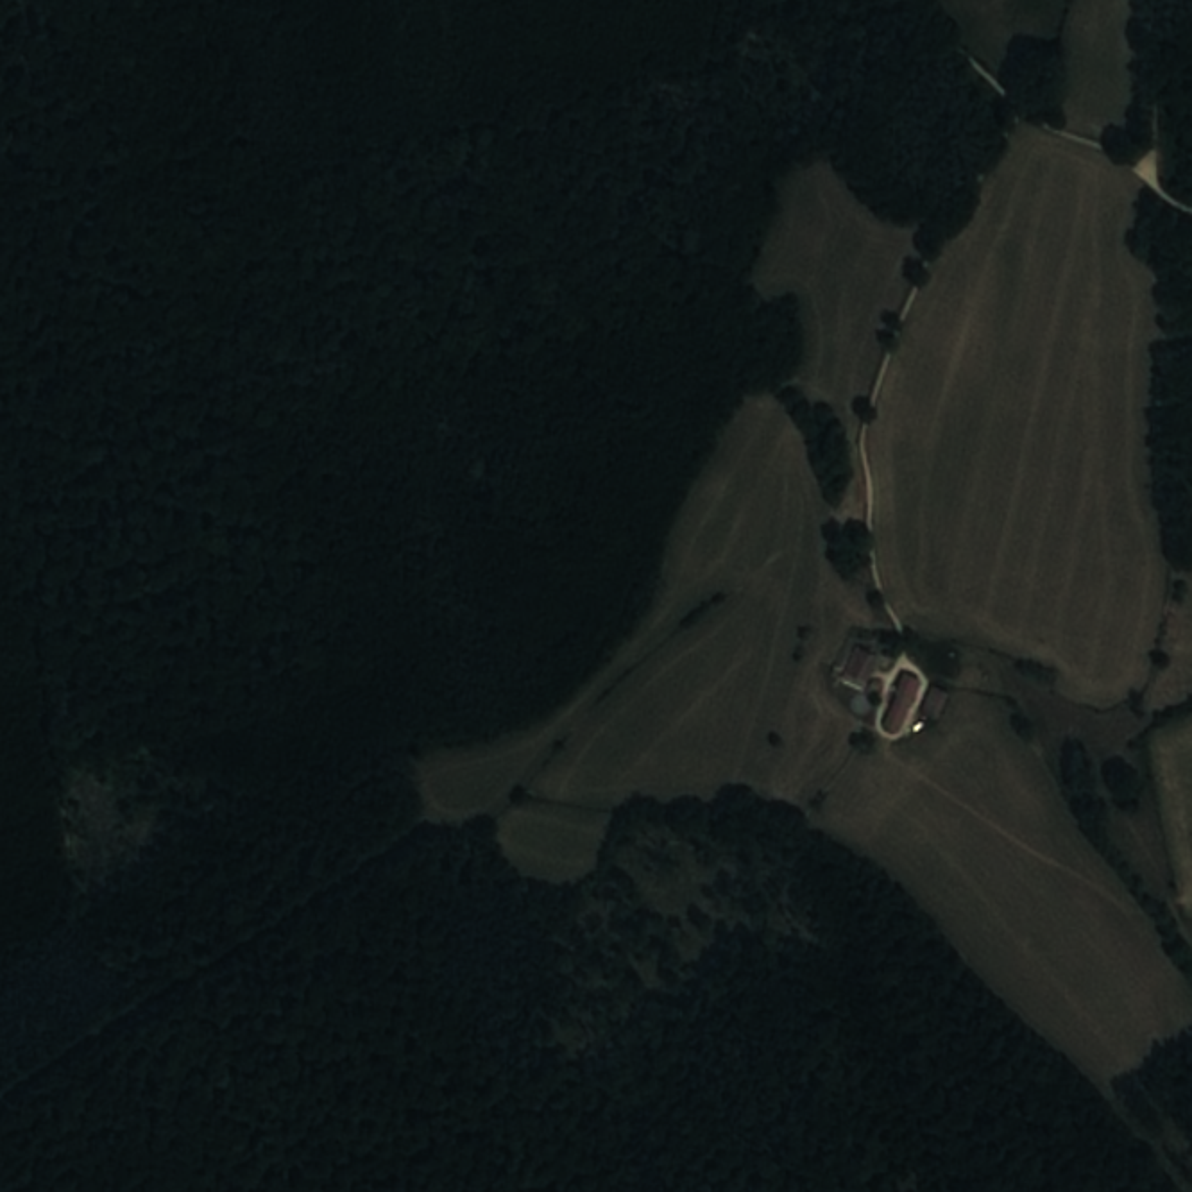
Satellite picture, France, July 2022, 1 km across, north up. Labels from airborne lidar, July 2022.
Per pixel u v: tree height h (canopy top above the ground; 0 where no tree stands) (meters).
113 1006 22
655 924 26
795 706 0
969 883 0
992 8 0
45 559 27
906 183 29
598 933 22
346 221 27
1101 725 0
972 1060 26
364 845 23
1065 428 0
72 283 29
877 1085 15
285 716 29
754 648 0
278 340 30
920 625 0
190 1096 27
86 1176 24
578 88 21
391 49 15
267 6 24
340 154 18
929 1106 26
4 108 25
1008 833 0
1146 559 0
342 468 22
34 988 24
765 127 21
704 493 0
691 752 0
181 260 29
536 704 19
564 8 14
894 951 24
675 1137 18
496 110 14
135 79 26
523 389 23
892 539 0
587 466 23
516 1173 28
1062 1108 25
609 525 24
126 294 28
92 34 28
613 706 0
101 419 33
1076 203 0
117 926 24
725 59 22
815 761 0
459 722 21
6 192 26
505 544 15
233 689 30
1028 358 0
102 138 25
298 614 27
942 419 0
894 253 0
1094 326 0
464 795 0
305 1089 27
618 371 20
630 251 25
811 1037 23
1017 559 0
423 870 20
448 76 11
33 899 11
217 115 19
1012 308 0
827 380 0
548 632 12
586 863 0
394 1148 18
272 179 19
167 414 25
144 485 25
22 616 12
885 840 0
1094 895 0
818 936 15
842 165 23
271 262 29
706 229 22
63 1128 20
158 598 29
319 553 21
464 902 23
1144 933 0
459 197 22
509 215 26
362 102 18
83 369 25
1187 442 16
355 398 18
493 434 20
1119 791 19
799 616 0
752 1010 18
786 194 0
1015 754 0
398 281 28
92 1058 18
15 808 10
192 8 28
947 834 0
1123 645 0
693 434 20
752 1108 17
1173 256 18
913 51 26
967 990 24
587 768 0
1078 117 0
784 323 16
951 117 29
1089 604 0
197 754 24
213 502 28
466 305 27
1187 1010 0
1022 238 0
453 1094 19
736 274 23
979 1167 26
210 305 28
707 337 17
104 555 26
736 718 0
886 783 0
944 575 0
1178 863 0
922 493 0
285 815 19
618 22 13
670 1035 22
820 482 11
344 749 26
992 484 0
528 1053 27
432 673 21
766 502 0
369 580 22
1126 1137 17
